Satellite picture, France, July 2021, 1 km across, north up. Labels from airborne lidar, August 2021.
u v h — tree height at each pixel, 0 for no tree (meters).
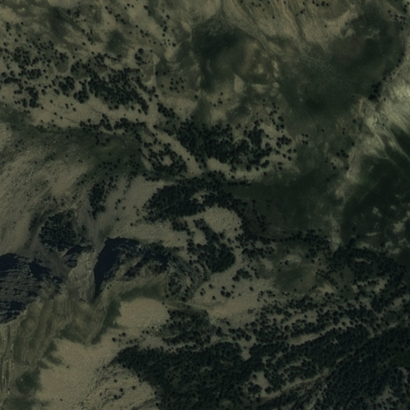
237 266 0
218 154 13
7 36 0
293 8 0
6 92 0
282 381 15
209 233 16
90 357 0
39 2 0
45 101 0
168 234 0
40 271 0
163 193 11
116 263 0
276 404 14
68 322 0
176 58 0
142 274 0
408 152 0
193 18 0
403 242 0
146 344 0
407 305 11
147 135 0
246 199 0
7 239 0
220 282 0
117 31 0
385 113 0
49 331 0
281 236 0
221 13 0
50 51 0
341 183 0
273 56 0
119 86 6
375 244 0
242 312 0
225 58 0
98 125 9
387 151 0
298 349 7
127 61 0
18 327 0
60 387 0
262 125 0
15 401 0
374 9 0
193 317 8
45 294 0
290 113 0
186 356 9
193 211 12
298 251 0
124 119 10
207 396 9
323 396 7
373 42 0
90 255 0
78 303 0
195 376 8
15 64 0
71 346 0
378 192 0
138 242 0
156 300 0
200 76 0
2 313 0
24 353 0
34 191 0
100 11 0
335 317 8
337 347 20
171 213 13
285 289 0
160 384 10
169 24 0
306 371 16
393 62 0
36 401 0
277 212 0
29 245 0
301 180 0
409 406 0
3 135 0
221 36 0
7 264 0
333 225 0
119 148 0
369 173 0
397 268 13
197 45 0
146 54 0
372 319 14
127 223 0
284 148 0
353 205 0
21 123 0
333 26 0
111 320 0
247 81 0
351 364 10
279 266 0
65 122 0
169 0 0
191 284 7
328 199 0
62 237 6
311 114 0
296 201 0
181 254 0
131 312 0
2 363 0
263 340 13
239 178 0
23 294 0
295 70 0
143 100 10
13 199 0
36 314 0
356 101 0
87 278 0
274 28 0
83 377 0
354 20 0
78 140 0
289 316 10
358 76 0
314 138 0
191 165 0
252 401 9
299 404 7
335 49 0
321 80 0
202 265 10
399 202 0
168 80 0
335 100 0
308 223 0
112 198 0
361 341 21
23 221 0
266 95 0
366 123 0
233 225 0
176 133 8
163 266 9
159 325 0
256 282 0
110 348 0
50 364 0
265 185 0
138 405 0
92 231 0
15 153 0
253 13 0
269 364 16
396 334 17
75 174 0
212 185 8
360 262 9
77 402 0
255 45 0
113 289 0
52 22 0
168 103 0
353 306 11
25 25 0
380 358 23
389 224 0
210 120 0
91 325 0
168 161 0
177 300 0
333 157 0
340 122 0
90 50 0
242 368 8
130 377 0
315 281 0
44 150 0
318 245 11
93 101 0
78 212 0
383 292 10
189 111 0
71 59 0
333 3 0
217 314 0
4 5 0
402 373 17
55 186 0
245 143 13
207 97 0
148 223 0
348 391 18
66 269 0
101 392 0
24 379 0
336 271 11
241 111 0
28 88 8
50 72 0
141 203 0
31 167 0
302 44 0
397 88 0
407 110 0
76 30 0
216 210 0
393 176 0
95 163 0
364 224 0
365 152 0
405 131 0
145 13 0
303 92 0
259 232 0
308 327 9
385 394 0
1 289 0
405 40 0
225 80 0
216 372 7
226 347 13
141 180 0
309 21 0
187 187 8
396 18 7
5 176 0
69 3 0
